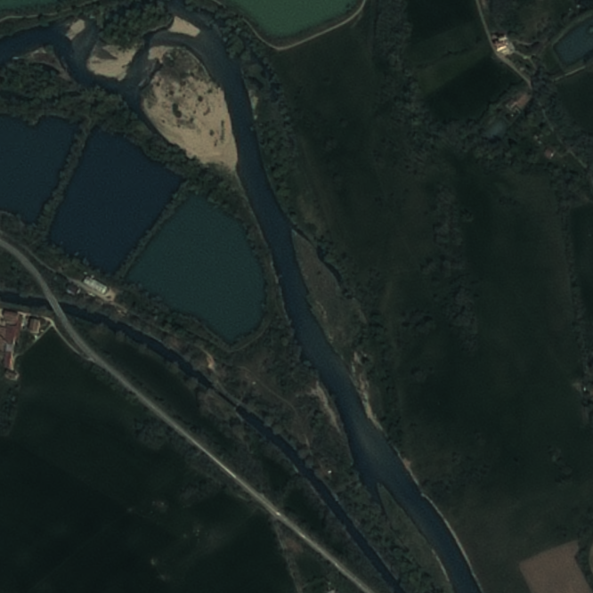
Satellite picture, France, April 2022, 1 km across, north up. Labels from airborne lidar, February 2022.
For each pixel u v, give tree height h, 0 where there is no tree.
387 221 0
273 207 0
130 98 0
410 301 0
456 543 0
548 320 0
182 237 0
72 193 0
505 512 0
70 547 0
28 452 0
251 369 0
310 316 0
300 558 0
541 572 0
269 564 0
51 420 0
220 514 0
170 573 0
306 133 0
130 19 18
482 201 0
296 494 0
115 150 0
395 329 0
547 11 0
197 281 0
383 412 0
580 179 15
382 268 0
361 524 19
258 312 0
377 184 0
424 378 17
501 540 0
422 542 0
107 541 0
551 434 0
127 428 0
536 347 0
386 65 0
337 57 0
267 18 0
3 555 0
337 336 0
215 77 0
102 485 0
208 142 0
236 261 0
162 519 0
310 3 0
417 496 0
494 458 0
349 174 0
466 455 0
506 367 0
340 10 0
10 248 0
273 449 28
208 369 0
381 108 0
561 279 0
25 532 0
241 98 0
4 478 0
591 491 0
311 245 0
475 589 0
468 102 0
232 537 0
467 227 0
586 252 0
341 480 18
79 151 11
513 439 0
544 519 0
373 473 0
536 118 19
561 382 0
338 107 0
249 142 0
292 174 0
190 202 0
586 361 9
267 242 0
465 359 0
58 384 0
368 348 10
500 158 8
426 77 0
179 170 17
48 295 0
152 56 0
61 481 0
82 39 0
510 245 0
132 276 0
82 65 0
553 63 0
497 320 0
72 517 0
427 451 0
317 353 0
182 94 0
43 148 0
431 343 0
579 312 9
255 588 0
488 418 0
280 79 0
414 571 23
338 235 0
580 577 0
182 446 20
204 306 0
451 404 0
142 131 21
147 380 0
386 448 0
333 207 0
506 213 0
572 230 0
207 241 0
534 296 0
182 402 0
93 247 0
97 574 0
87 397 0
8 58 0
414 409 0
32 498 0
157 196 0
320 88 0
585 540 13
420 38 0
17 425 0
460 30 0
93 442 0
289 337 12
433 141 15
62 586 0
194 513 0
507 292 0
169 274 0
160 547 0
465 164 0
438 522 0
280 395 0
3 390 0
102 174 0
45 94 19
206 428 0
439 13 0
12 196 0
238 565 0
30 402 0
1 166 0
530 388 0
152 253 0
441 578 0
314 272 0
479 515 0
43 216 12
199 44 0
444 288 0
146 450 0
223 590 0
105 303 0
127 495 0
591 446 0
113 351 0
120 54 0
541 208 0
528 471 0
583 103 0
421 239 0
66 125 0
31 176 0
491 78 0
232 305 0
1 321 0
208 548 0
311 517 0
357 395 0
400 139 0
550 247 0
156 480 0
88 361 12
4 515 0
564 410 0
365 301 10
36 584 0
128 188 0
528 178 0
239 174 0
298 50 0
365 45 0
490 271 0
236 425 11
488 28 0
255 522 0
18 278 17
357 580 0
